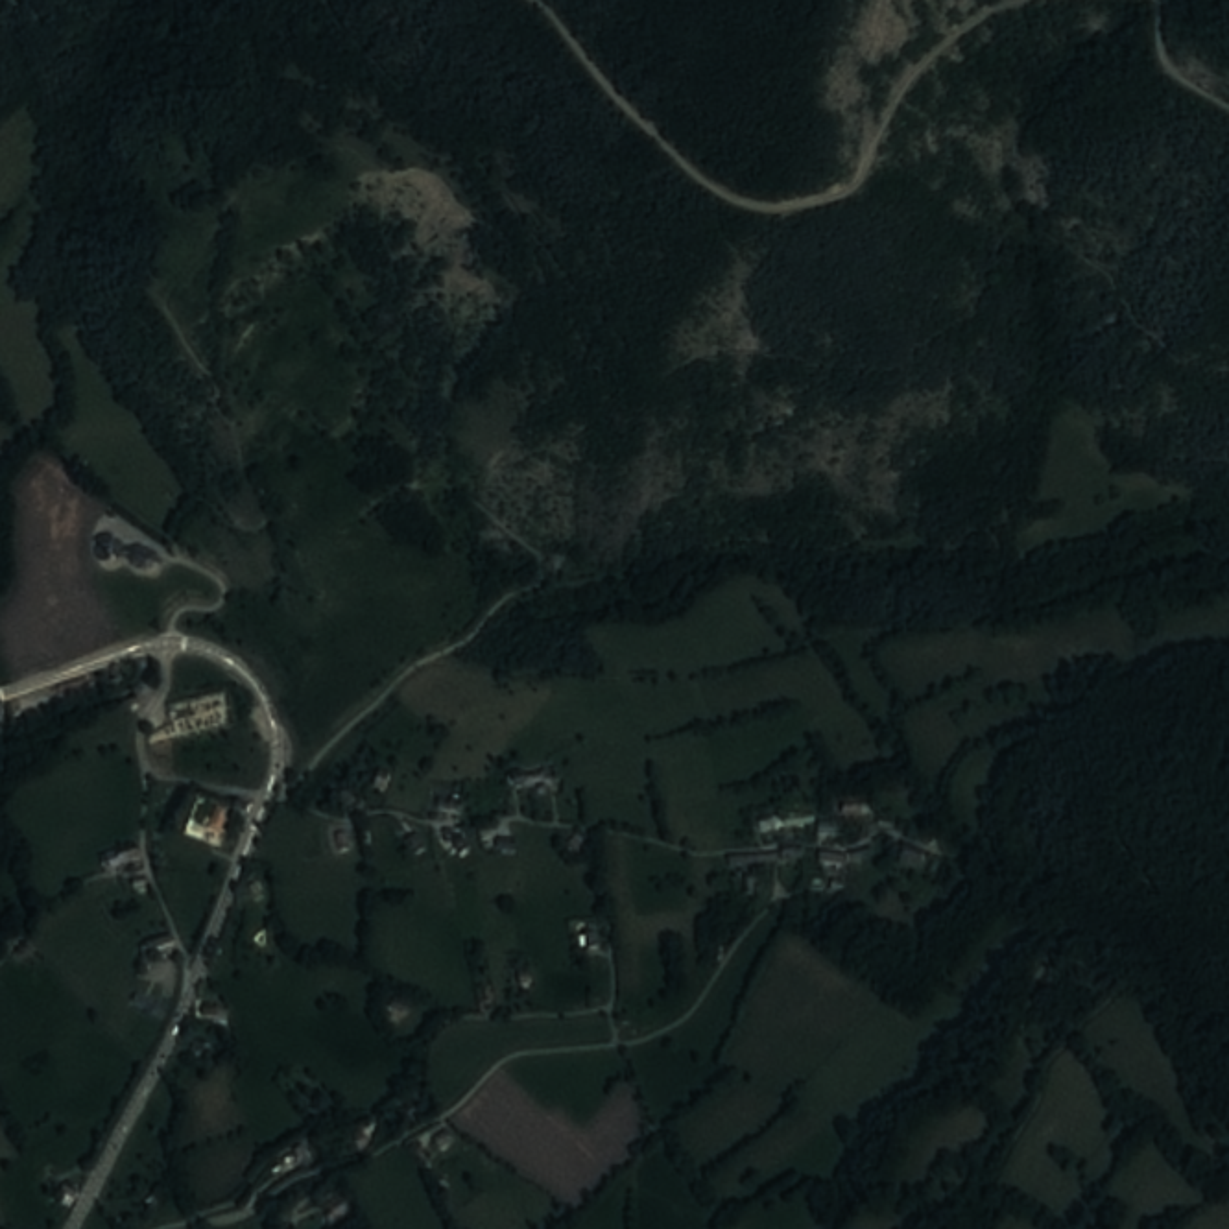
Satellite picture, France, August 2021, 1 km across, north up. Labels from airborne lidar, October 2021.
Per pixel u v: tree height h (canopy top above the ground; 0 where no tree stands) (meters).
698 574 14
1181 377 10
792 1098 10
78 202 13
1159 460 12
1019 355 10
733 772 0
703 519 9
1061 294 13
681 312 6
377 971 11
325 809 11
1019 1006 13
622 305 9
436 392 7
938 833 14
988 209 7
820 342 6
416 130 9
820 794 9
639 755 0
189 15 23
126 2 11
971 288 7
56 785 0
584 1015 0
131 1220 11
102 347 10
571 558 11
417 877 0
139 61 20
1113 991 13
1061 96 12
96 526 0
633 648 0
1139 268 6
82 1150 0
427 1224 0
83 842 0
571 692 0
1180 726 20
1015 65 7
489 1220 0
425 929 0
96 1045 0
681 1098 0
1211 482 13
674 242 8
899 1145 27
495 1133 0
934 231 6
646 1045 0
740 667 8
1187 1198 0
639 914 0
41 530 0
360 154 0
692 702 0
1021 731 19
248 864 15
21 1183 0
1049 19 8
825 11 9
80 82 16
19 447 18
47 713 17
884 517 7
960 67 6
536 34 13
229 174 10
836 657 10
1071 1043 16
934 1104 18
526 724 0
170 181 0
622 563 8
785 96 7
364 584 0
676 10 15
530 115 10
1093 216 8
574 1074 0
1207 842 17
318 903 0
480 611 6
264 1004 0
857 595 15
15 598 0
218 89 17
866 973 12
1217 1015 18
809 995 0
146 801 7
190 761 0
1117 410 6
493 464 0
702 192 13
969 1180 14
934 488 14
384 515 8
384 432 9
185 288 0
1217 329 8
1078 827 18
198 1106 0
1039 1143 0
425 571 0
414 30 9
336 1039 0
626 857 0
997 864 14
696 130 11
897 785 9
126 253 20
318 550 0
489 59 15
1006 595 19
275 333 0
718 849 0
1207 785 23
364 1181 0
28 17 23
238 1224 0
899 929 12
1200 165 11
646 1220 0
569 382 6
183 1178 11
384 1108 9
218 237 8
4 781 15
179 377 6
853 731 0
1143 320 8
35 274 17
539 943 0
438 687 0
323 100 11
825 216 12
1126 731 13
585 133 14
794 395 7
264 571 0
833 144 6
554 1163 0
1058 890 22
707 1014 0
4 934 15
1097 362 10
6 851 25
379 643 0
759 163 7
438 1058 0
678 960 20
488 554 10
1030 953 21
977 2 6
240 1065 16
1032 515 7
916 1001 19
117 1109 8
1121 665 13
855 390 13
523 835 0
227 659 0
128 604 0
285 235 0
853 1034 0
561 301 9
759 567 12
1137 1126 10
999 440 9
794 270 13
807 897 9
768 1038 0
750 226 8
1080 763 13
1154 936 27
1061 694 18
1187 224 11
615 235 9
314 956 19
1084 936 20
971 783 0
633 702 0
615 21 9
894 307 9
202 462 7
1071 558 21
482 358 11
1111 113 11
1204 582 13
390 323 6
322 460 0
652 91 16
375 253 9
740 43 14
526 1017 0
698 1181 9
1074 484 0
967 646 0
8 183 0
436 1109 15
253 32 12
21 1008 0
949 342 11
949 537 13
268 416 0
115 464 0
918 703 8
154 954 13
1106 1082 17
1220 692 27
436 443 6
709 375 10
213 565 0
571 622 8
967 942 19
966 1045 27
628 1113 0
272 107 8
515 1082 0
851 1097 0
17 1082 0
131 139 19
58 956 0
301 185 0
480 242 9
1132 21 12
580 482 6
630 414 6
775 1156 0
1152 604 10
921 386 11
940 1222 20
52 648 0
